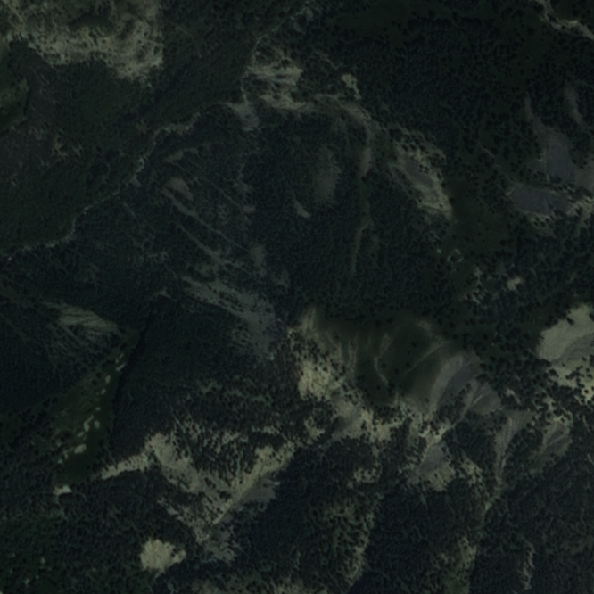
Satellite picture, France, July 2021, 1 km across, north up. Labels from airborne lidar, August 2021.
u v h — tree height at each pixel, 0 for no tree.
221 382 10
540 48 0
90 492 16
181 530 10
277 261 15
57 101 7
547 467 7
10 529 8
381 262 6
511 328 16
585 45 12
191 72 8
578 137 11
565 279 20
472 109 23
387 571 18
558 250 22
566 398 11
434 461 0
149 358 23
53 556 6
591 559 9
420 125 20
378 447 9
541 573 13
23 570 10
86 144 19
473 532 6
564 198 0
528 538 10
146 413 14
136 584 7
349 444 7
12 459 13
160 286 18
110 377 0
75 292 16
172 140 18
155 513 14
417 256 17
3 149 12
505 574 15
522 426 0
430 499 10
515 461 10
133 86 16
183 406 7
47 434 14
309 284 19
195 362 13
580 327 0
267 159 13
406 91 24
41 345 14
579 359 0
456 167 16
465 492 15
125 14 0
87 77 19
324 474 9
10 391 29
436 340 0
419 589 9
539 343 0
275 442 12
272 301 11
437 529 13
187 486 7
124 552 8
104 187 18
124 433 19
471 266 0
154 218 18
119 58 0
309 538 14
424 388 0
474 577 12
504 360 17
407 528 19
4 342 21
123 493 16
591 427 8
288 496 18
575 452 9
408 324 0
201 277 12
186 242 16
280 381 8
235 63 18
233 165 9
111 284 13
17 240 15
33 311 16
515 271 14
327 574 16
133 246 14
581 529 12
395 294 10
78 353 7
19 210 20
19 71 12
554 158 0
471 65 12
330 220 18
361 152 0
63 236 6
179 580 10
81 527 7
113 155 13
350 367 0
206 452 9
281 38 7
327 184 0
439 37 24
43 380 26
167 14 16
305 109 0
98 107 19
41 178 19
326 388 0
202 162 17
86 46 7
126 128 13
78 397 0
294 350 7
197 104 16
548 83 9
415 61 17
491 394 0
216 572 11
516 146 14
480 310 8
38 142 9
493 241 0
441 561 8
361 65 11
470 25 25
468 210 0
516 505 15
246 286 7
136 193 10
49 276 20
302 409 10
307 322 0
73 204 27
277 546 13
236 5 22
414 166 0
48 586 0
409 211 14
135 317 25
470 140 18
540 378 12
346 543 9
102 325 0
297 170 16
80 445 0
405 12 0
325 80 9
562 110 6
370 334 0
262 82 9
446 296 19
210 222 7
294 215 13
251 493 0
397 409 7
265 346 0
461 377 0
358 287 19
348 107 0
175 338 21
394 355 0
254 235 11
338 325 0
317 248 19
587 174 0
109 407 0
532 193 0
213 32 9
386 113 13
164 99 17
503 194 9
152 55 0
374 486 13
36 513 13
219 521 0
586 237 16
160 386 9
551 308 0
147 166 7
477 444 13
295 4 19
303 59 12
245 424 16
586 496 7
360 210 15
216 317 15
